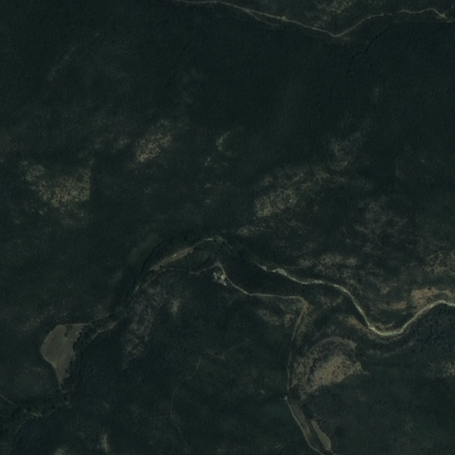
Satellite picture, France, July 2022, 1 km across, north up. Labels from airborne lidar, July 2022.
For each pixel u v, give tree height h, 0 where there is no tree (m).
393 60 13
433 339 10
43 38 8
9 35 11
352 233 5
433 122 6
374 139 6
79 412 7
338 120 7
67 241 7
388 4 9
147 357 7
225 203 6
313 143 7
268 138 5
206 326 6
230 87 7
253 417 5
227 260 6
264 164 6
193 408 7
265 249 11
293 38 8
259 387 7
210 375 6
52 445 7
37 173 0
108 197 7
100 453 7
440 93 6
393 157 7
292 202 6
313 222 6
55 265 7
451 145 6
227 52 7
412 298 0
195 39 10
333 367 0
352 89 9
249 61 10
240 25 12
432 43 9
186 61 7
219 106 6
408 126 6
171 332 6
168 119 5
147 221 7
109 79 6
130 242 6
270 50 6
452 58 7
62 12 10
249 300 6
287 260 7
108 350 7
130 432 6
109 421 7
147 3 10
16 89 6
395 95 7
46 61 8
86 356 6
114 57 6
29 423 7
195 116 6
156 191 6
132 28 6
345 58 11
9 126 7
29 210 6
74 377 15
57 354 0
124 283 10
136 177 6
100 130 6
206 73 8
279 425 6
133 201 6
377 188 5
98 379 7
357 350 7
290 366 7
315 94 9
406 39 8
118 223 7
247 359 6
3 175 6
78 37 7
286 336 8
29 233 6
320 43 7
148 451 6
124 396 7
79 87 5
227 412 8
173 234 8
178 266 6
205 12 10
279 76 7
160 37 5
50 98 5
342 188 6
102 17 8
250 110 6
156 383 7
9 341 6
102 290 6
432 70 7
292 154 6
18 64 9
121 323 7
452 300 0
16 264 6
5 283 5
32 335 8
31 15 11
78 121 8
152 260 19
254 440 6
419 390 6
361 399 0
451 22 8
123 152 6
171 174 7
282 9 6
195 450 6
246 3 7
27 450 7
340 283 5
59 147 7
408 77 9
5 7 9
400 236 6
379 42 10
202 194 6
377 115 6
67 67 7
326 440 0
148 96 8
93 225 8
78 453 7
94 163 7
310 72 9
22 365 5
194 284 5
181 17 11
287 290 7
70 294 6
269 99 9
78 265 9
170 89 8
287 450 7
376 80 8
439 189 6
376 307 0
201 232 13
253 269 8
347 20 6
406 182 6
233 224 6
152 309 7
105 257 8
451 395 6
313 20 8
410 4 6
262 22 9
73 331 0
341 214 7
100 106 6
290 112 7
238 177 7
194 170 5
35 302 8
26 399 6
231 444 5
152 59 7
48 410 11
